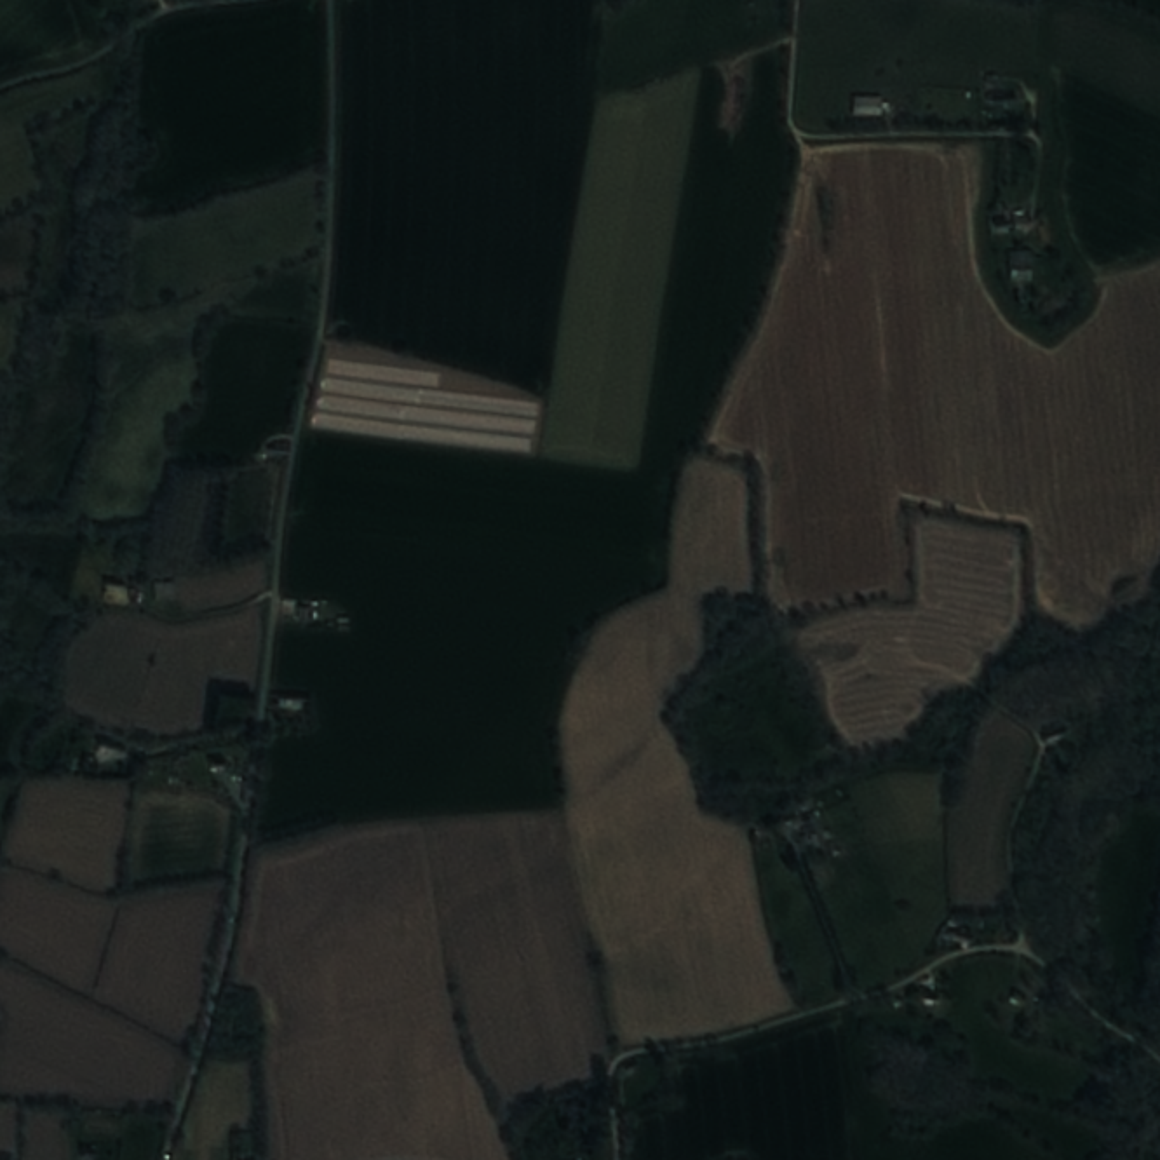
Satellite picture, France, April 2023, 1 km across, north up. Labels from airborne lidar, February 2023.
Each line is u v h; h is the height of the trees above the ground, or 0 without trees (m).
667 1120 0
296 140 0
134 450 0
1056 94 0
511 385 0
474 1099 0
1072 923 16
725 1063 0
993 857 0
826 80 0
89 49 0
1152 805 20
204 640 0
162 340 0
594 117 0
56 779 15
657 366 0
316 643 0
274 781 0
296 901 0
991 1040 0
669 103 0
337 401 0
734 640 14
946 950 6
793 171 10
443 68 0
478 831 0
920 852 0
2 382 12
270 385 0
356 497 0
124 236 15
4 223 14
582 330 0
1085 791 14
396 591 0
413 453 0
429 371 0
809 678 10
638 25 0
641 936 0
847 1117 0
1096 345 0
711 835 0
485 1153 0
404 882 0
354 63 0
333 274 0
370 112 0
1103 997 8
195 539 17
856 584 0
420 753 0
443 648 0
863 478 0
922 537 0
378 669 0
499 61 0
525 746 0
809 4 0
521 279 0
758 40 0
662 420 0
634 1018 0
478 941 0
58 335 23
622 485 0
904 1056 21
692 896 0
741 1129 0
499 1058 0
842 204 0
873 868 0
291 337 0
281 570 0
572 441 0
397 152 0
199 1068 10
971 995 0
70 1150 0
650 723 0
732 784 17
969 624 0
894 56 0
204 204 8
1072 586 0
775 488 0
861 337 0
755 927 0
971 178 0
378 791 0
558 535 0
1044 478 0
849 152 0
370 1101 0
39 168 13
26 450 0
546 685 0
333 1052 0
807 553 0
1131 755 17
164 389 0
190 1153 0
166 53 0
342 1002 0
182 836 0
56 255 0
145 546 18
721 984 0
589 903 0
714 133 0
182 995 0
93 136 12
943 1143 0
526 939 0
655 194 0
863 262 0
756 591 9
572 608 0
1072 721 11
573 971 0
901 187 0
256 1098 15
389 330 0
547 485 0
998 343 0
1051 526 0
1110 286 0
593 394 0
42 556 0
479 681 0
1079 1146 0
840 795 0
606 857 0
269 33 0
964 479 0
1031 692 16
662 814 0
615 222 0
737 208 0
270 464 7
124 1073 0
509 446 0
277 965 0
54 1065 0
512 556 0
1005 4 17
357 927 0
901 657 0
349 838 0
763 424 0
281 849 13
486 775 0
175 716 0
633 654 0
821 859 11
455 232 0
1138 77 0
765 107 0
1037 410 0
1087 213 0
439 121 0
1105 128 0
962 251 0
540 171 0
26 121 0
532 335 0
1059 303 0
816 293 0
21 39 0
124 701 0
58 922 0
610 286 0
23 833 0
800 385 0
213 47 0
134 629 0
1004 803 0
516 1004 0
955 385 0
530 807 0
